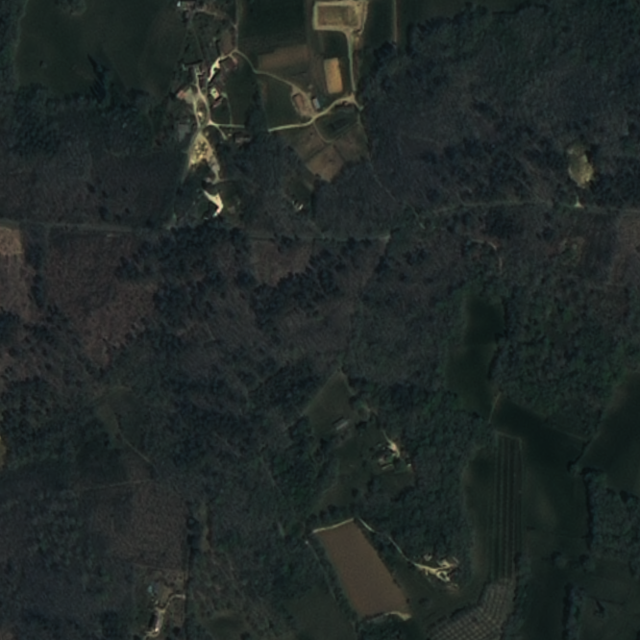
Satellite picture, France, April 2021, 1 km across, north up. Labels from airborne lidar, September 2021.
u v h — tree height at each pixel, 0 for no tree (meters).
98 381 19
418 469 20
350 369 15
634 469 0
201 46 9
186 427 23
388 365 19
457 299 24
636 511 25
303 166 19
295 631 18
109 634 25
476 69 10
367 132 13
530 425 0
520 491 0
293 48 0
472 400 0
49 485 7
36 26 0
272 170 18
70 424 18
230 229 8
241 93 0
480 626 14
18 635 17
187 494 18
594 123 11
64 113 17
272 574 19
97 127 12
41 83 0
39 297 20
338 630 0
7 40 25
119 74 0
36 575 16
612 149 16
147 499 6
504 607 15
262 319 26
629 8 21
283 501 20
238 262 16
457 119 20
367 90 24
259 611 23
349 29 0
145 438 12
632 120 14
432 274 12
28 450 23
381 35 0
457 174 24
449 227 13
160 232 13
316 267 22
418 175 17
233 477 14
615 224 16
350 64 0
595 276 15
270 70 0
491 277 10
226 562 15
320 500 14
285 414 25
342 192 18
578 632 14
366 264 13
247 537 16
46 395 25
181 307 30
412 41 18
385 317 19
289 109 0
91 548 10
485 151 16
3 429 14
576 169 0
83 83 0
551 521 0
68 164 18
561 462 0
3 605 17
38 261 18
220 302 12
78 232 7
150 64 0
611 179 13
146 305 7
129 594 14
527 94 15
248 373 14
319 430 0
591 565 19
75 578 15
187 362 18
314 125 0
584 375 19
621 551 24
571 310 17
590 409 12
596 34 13
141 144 21
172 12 0
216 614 14
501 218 10
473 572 18
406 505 21
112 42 0
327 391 0
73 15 11
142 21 0
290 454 15
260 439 18
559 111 16
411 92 15
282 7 0
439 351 21
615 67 16
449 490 16
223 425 31
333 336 12
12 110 15
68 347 15
